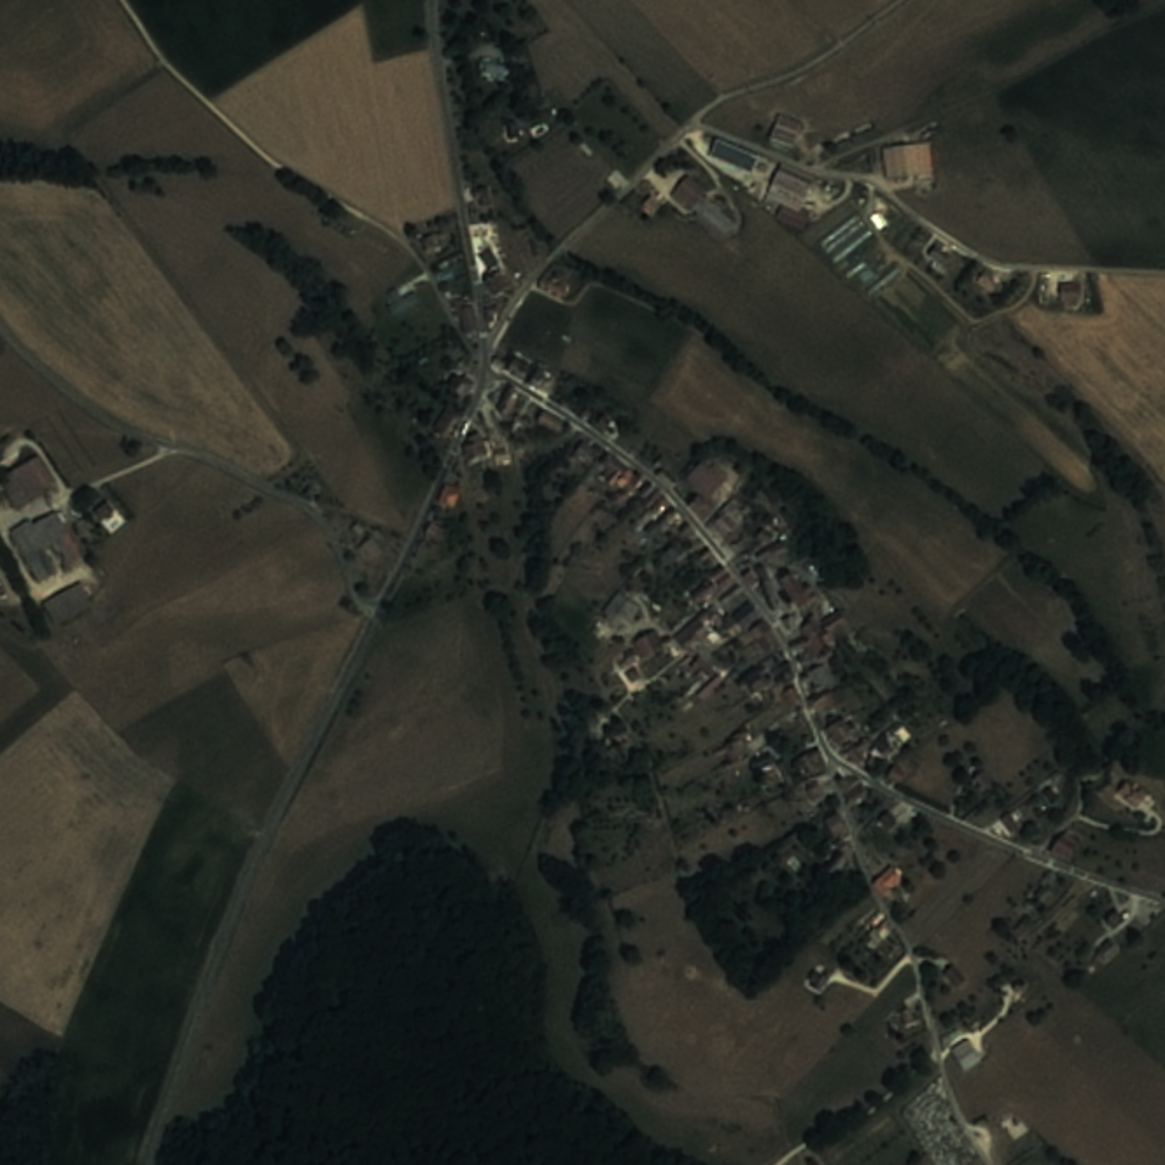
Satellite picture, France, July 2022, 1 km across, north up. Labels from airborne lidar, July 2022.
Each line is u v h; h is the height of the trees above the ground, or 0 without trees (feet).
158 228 0
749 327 0
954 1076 0
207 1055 0
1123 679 73
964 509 48
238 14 0
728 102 0
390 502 0
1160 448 0
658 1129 0
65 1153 0
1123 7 70
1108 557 0
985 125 0
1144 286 0
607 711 56
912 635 44
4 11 0
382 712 0
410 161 0
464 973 104
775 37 0
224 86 0
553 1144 110
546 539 41
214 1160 91
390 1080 99
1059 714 62
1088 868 0
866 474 0
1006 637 0
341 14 0
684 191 0
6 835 0
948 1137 0
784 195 0
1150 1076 0
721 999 0
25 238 0
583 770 37
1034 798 20
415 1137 113
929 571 0
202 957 0
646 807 22
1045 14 0
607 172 0
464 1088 75
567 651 30
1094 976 0
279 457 0
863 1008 0
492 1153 110
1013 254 0
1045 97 0
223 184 0
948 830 0
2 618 0
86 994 0
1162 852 0
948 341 0
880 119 0
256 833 0
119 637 0
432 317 0
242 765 0
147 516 0
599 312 0
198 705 0
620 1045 39
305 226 0
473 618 0
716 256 0
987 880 0
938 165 0
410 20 0
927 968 41
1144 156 0
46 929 0
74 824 0
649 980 0
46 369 0
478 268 0
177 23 0
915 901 0
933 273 35
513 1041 74
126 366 0
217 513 0
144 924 0
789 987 0
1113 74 0
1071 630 0
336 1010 86
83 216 0
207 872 0
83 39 0
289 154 0
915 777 0
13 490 0
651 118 0
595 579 0
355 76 0
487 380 0
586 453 0
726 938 52
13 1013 0
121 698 0
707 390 0
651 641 0
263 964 0
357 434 0
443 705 0
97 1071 0
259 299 0
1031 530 0
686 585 23
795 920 78
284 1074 95
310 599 0
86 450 0
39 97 0
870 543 0
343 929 71
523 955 76
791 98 0
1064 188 0
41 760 0
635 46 0
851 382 0
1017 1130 0
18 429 0
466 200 0
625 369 0
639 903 0
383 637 0
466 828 0
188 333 0
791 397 45
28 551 0
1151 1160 0
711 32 0
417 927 86
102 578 0
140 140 0
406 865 82
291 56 0
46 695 0
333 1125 114
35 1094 73
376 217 0
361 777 0
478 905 91
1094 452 34
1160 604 0
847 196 0
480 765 0
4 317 0
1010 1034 0
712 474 0
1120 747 67
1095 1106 0
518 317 0
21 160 59
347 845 0
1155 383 0
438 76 0
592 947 39
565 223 0
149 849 0
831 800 32
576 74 0
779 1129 0
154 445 0
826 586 27
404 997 107
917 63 0
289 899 0
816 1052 0
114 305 0
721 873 84
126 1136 0
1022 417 0
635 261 0
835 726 0
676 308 51
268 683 0
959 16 0
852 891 70
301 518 0
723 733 0
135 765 0
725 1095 0
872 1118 46
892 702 22
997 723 0
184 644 0
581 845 33
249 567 0
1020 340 0
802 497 24
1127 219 0
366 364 26
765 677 0
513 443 26
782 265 0
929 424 0
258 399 0
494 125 0
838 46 0
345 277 0
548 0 0
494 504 0
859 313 0
